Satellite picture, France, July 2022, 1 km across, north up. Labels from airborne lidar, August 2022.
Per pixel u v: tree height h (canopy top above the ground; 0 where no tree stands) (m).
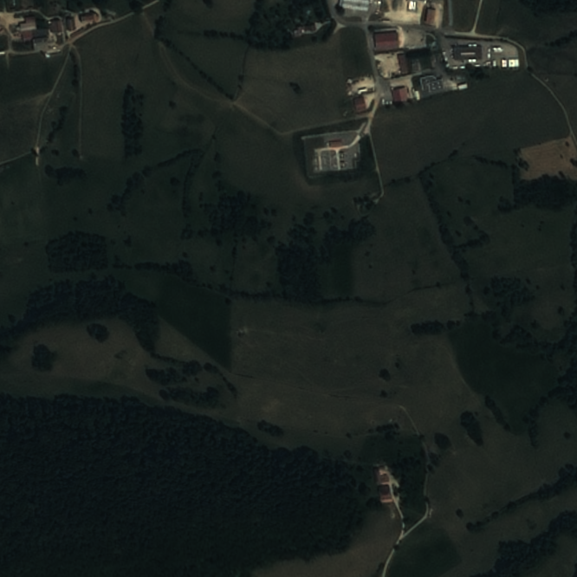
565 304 0
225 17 0
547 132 0
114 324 0
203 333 0
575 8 10
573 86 0
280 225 0
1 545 19
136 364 0
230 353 0
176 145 0
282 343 0
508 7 0
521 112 0
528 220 0
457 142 0
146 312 23
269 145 0
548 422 0
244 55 0
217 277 0
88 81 0
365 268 0
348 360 0
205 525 16
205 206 9
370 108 0
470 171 0
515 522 0
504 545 14
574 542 0
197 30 0
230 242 0
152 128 0
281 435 9
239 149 0
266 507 17
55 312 27
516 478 0
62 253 11
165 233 0
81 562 12
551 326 0
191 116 0
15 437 33
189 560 15
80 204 0
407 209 0
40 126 0
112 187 0
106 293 18
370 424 0
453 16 0
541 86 0
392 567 0
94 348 0
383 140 0
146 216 0
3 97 0
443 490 0
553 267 0
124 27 0
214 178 9
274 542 21
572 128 0
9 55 0
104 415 30
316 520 19
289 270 25
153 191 0
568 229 0
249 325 0
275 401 0
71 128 0
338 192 0
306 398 0
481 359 0
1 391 0
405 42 0
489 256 0
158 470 26
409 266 0
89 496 24
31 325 22
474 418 19
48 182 0
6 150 0
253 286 0
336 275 0
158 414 24
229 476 24
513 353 0
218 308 0
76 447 29
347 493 23
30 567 9
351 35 0
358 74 0
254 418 0
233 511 19
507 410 0
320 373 0
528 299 17
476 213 0
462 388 0
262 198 0
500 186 0
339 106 0
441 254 0
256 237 13
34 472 26
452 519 0
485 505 0
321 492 28
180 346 0
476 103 0
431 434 0
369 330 0
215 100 0
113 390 0
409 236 0
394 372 0
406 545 0
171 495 25
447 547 0
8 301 0
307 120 0
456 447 0
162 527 18
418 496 0
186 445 36
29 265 0
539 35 0
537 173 0
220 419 0
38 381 0
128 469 28
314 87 0
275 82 0
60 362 0
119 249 0
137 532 18
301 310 0
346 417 0
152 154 0
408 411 0
